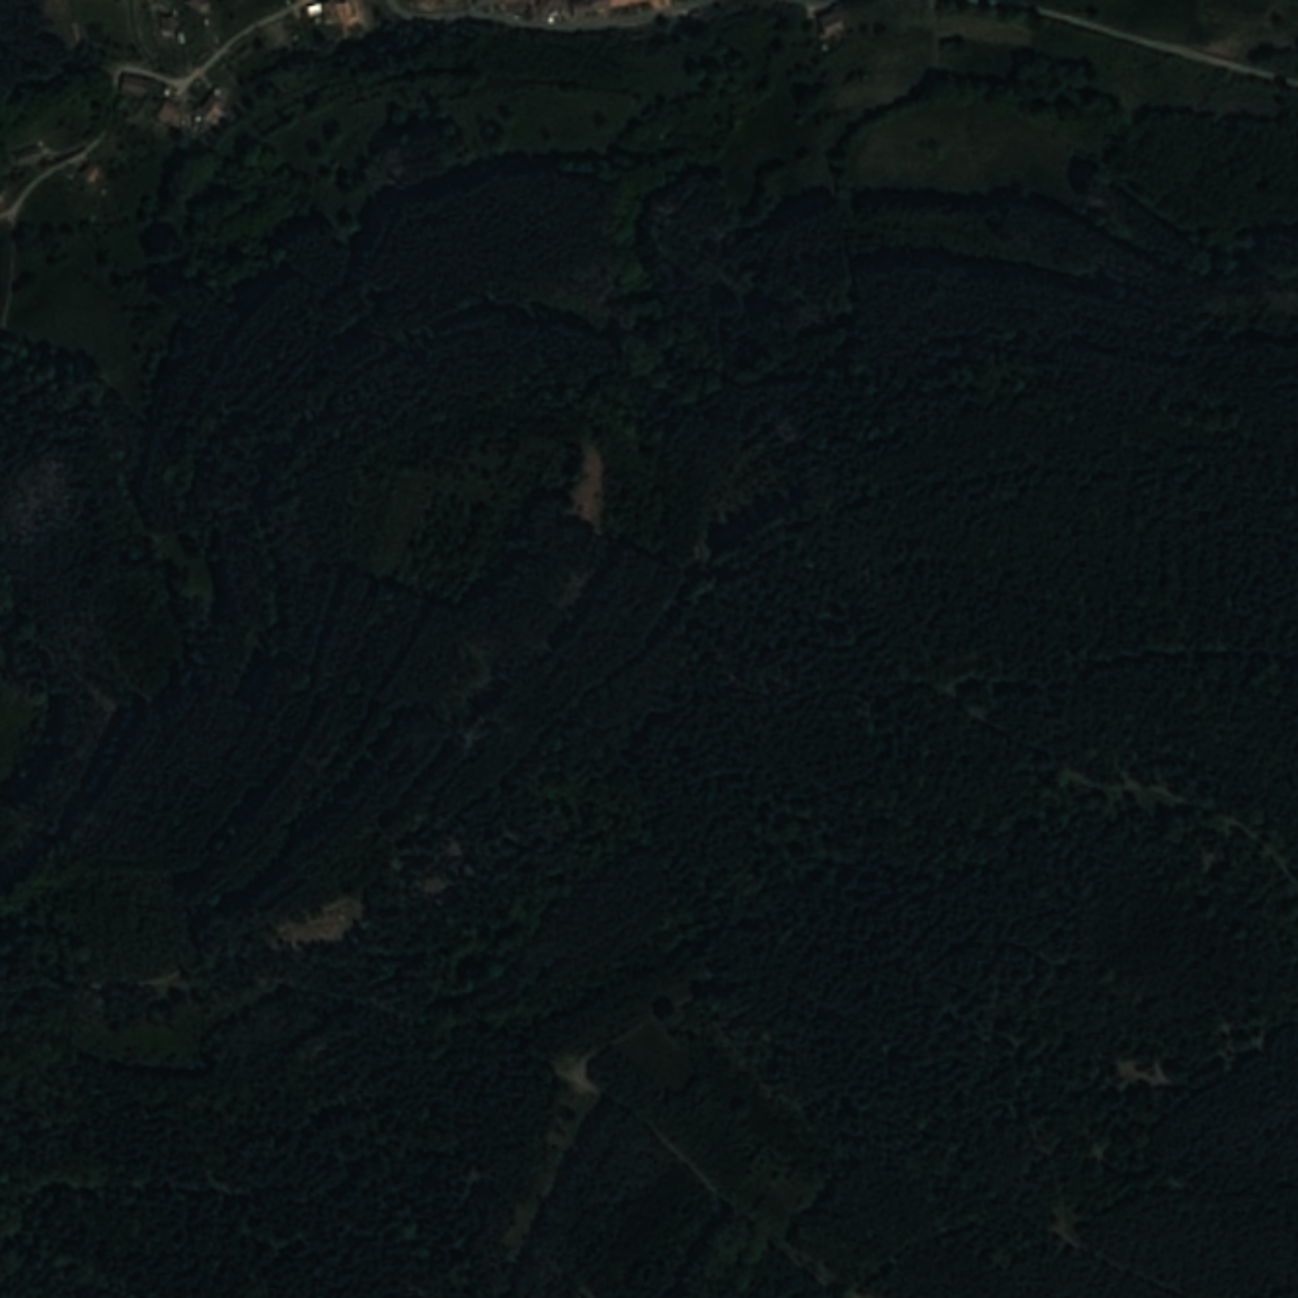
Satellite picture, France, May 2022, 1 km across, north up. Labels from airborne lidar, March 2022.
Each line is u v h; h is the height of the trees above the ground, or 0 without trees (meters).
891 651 29
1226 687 22
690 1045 7
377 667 21
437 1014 26
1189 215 14
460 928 21
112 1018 13
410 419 16
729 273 27
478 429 11
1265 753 13
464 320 31
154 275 8
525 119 0
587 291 29
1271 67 15
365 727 16
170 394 20
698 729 30
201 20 0
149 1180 11
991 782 19
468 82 17
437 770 22
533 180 30
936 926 31
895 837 21
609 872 25
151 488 33
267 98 15
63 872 21
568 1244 16
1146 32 0
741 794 27
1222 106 0
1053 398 22
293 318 28
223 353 26
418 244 29
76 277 0
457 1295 19
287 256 20
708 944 26
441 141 23
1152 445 16
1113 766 15
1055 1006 8
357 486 10
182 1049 0
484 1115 23
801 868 20
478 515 13
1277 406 14
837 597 25
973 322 33
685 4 0
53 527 30
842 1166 8
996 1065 13
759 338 27
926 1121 21
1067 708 24
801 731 25
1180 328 34
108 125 8
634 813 17
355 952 22
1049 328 32
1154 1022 15
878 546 23
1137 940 16
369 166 13
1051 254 29
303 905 24
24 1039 22
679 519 19
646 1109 11
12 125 16
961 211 20
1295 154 6
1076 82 18
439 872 22
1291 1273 12
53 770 29
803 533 26
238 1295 18
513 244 30
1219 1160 18
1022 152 0
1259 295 30
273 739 18
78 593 28
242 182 18
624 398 21
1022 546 17
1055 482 18
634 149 7
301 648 27
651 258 31
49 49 28
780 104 0
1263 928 12
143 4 0
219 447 21
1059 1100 15
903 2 0
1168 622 24
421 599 12
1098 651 16
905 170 0
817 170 0
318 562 13
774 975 25
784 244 25
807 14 0
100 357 0
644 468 8
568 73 5
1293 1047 17
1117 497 18
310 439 29
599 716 28
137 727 28
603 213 27
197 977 10
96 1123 22
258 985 22
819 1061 22
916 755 29
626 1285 9
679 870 26
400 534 0
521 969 28
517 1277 21
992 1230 15
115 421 25
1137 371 32
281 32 0
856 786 29
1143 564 18
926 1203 21
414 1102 27
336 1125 28
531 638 25
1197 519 18
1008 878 23
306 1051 31
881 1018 30
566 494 9
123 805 24
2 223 0
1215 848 17
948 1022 20
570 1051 7
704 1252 30
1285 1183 6
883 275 31
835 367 28
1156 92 0
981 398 22
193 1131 15
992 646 25
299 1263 22
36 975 21
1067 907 17
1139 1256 13
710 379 31
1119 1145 17
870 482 14
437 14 0
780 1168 6
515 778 17
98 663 29
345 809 23
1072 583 22
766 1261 18
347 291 27
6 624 21
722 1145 6
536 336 29
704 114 8
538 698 18
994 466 19
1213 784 14
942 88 21
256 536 24
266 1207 23
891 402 28
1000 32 0
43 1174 25
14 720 0
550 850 26
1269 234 24
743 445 11
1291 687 23
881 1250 18
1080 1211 12
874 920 32
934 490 21
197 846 18
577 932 30
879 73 0
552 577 24
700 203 29
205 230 13
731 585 29
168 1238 16
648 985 19
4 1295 28
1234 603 27
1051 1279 12
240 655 30
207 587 0
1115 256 28
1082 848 14
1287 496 24
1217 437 18
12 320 0
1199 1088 11
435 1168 34
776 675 31
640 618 21
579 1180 23
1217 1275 13
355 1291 27
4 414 21
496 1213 30
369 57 10
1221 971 9
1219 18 0
